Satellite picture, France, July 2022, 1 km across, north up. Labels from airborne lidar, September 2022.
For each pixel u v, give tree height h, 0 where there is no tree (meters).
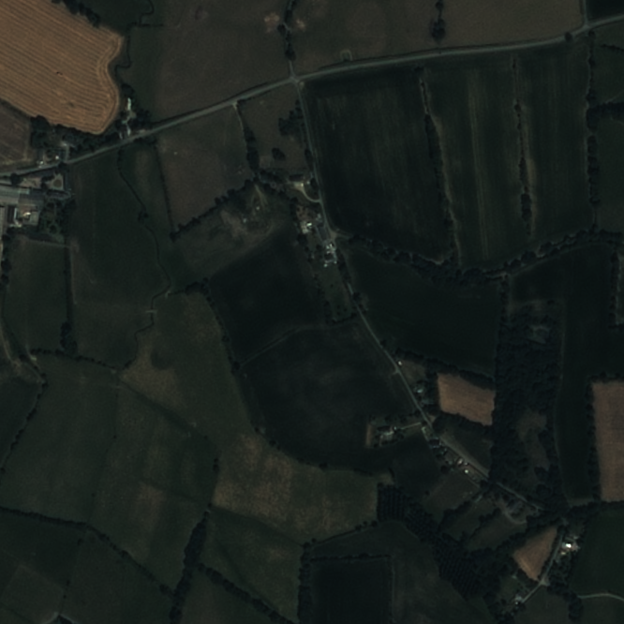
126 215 0
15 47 0
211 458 0
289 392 0
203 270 0
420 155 0
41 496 0
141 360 0
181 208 0
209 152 0
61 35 0
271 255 0
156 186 0
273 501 0
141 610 0
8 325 0
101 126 0
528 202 17
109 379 0
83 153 7
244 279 0
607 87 0
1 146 0
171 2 0
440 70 0
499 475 16
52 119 0
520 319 9
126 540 0
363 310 10
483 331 0
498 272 8
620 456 0
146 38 0
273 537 0
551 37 0
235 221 0
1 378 0
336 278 0
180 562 0
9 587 0
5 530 0
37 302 0
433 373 12
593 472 14
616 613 0
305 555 7
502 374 16
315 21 0
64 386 0
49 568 0
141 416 0
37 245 0
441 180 16
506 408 19
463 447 0
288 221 0
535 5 0
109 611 0
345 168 0
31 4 0
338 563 7
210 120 0
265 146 0
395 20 0
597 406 0
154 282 0
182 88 0
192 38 0
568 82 0
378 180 0
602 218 0
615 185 0
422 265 14
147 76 0
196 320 0
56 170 7
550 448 10
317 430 0
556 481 16
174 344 0
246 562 0
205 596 0
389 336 0
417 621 0
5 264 14
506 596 0
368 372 0
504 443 18
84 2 0
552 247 11
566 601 10
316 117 0
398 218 0
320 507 0
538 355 15
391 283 0
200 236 0
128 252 0
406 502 19
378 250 16
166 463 0
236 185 0
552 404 15
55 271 0
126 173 0
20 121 0
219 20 0
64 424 0
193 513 0
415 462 0
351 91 0
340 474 0
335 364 0
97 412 0
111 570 0
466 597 19
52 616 0
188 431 0
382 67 0
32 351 6
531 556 0
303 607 17
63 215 6
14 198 0
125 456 0
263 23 0
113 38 0
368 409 0
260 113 0
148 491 0
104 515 0
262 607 14
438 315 0
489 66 0
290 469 0
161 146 0
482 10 0
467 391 0
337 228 0
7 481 0
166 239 0
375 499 0
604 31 0
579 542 12
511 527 0
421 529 18
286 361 0
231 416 0
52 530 0
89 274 0
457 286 15
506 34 0
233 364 6
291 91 0
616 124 0
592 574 0
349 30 0
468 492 0
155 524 0
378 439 6
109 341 0
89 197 0
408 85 0
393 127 0
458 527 0
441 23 12
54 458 0
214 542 0
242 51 0
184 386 0
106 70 0
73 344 24
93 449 0
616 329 14
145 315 0
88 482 0
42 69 0
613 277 11
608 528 0
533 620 0
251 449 0
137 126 19
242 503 0
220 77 0
